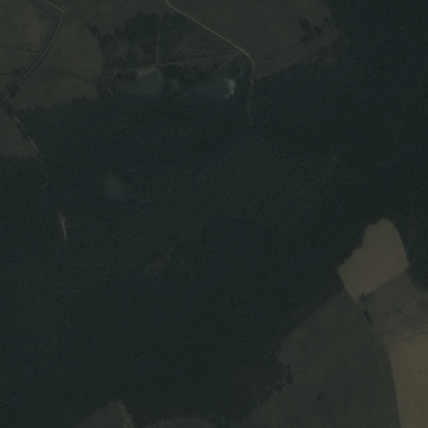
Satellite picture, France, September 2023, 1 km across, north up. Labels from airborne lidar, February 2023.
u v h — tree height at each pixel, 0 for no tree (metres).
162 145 23
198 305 31
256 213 26
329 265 20
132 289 29
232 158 25
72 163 23
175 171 28
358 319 0
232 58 0
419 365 0
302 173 27
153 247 19
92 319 17
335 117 29
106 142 23
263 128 26
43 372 27
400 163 23
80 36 0
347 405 0
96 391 20
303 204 24
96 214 17
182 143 21
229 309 23
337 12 17
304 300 14
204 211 23
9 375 33
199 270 34
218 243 22
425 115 22
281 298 22
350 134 25
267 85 20
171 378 25
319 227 24
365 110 25
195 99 29
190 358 22
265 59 0
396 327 0
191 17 0
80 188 24
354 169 25
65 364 21
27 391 25
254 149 26
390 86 28
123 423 0
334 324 0
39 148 16
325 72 24
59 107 8
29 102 0
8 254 15
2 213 22
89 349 26
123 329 22
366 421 0
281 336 14
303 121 26
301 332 0
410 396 0
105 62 0
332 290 8
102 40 11
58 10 0
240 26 0
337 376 0
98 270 21
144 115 12
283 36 0
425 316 0
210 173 25
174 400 22
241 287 21
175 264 14
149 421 14
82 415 15
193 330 26
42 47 0
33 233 18
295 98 24
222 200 26
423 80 20
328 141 23
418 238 13
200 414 19
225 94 0
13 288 14
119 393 16
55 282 13
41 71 0
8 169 13
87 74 0
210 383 21
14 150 0
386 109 29
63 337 21
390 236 0
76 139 15
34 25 0
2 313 26
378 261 0
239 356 20
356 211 22
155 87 0
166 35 0
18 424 29
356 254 0
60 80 0
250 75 20
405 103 26
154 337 20
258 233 31
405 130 15
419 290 0
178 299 27
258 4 0
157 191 26
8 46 0
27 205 18
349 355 0
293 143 24
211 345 18
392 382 0
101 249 25
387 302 0
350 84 28
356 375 0
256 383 11
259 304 10
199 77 12
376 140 22
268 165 27
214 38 0
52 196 24
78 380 21
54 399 19
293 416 0
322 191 24
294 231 20
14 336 24
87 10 0
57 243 15
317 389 0
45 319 19
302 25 18
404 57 21
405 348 0
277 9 0
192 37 0
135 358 16
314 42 0
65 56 0
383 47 28
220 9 0
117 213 23
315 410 0
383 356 0
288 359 0
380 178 24
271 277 26
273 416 0
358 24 21
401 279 0
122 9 0
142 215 25
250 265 30
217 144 20
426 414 0
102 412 0
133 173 22
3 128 0
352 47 15
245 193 24
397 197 21
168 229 22
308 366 0
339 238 23
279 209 26
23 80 9
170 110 11
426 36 32
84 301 22
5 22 0
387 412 0
